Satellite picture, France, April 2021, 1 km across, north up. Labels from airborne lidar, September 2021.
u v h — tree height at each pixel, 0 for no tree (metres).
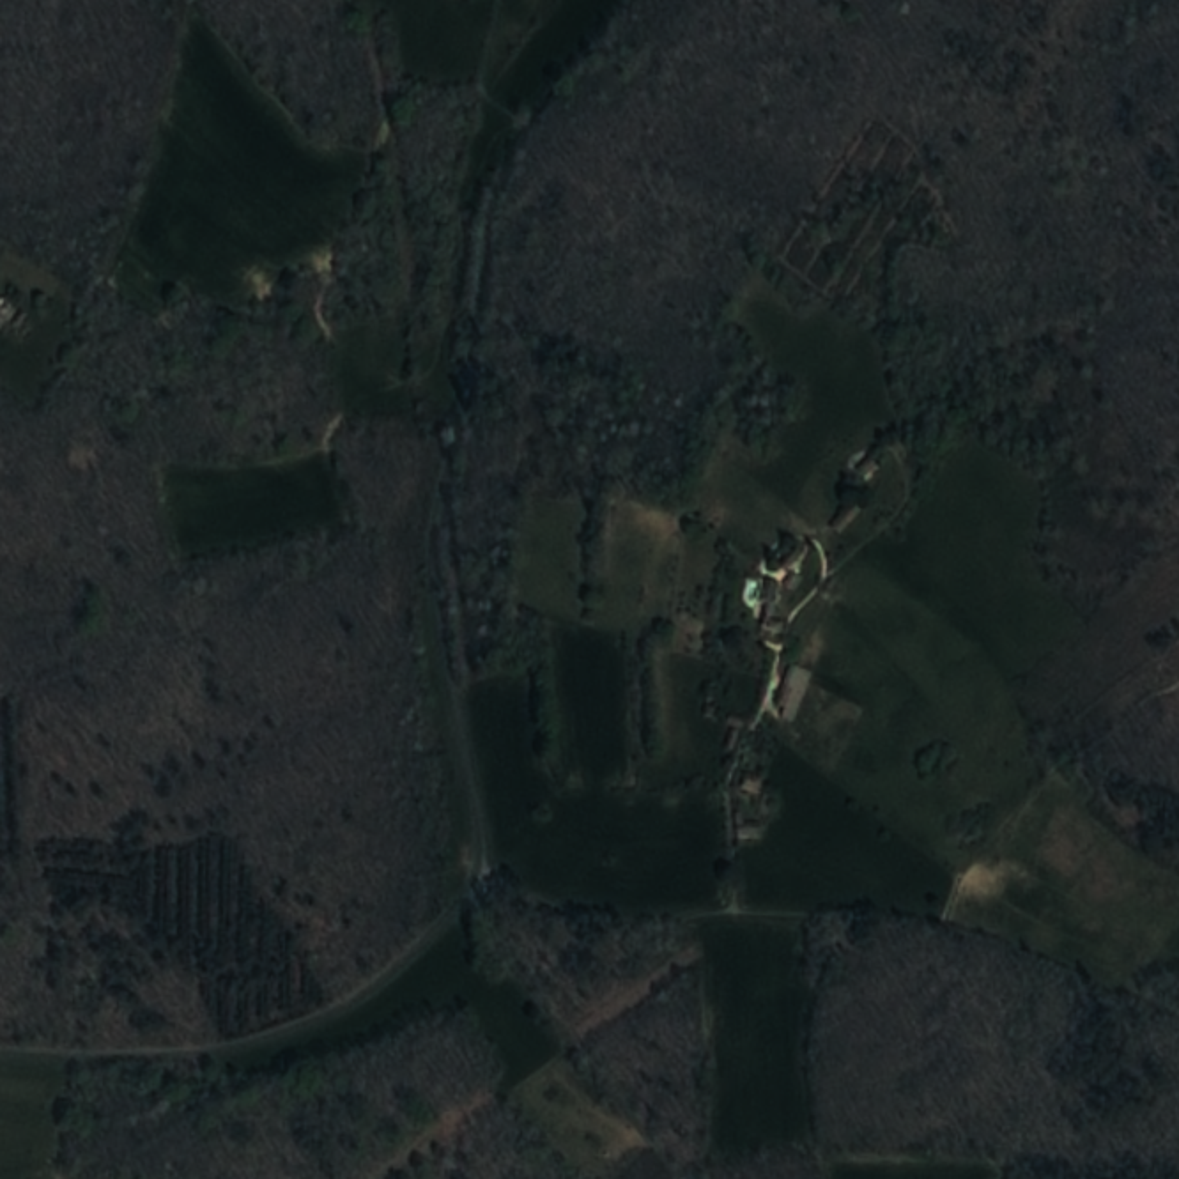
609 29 19
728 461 0
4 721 13
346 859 14
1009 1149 16
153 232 0
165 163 0
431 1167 17
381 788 13
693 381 17
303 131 11
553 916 11
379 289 20
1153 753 14
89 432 19
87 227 17
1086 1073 30
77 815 13
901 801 0
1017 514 0
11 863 18
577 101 15
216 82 0
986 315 16
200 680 21
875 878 0
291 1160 23
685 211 15
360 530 20
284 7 16
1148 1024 21
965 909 0
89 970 21
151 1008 17
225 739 10
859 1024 16
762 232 15
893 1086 13
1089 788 14
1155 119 14
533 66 0
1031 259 18
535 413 9
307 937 14
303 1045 0
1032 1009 17
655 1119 17
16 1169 0
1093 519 6
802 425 0
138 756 17
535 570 0
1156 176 22
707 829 0
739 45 12
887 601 0
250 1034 9
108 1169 16
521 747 0
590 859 0
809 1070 13
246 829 12
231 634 20
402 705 12
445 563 15
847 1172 0
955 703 0
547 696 19
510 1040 0
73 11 15
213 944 10
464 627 8
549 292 18
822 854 0
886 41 14
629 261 17
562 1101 0
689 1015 15
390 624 17
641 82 13
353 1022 0
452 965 0
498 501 18
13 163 19
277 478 0
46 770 11
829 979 20
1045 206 20
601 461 18
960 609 0
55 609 14
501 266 21
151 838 13
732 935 0
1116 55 16
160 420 18
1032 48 8
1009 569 0
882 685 0
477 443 18
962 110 13
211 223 0
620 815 0
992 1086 19
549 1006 20
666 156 11
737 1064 0
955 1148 17
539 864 0
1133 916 0
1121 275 10
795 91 15
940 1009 14
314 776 14
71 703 15
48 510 17
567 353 22
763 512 0
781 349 0
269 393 20
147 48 12
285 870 12
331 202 0
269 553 16
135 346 14
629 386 22
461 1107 17
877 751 0
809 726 0
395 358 0
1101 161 16
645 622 0
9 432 17
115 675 16
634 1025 16
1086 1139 28
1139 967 0
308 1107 23
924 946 19
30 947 11
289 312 23
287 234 0
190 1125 23
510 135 0
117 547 17
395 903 17
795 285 14
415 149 18
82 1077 22
